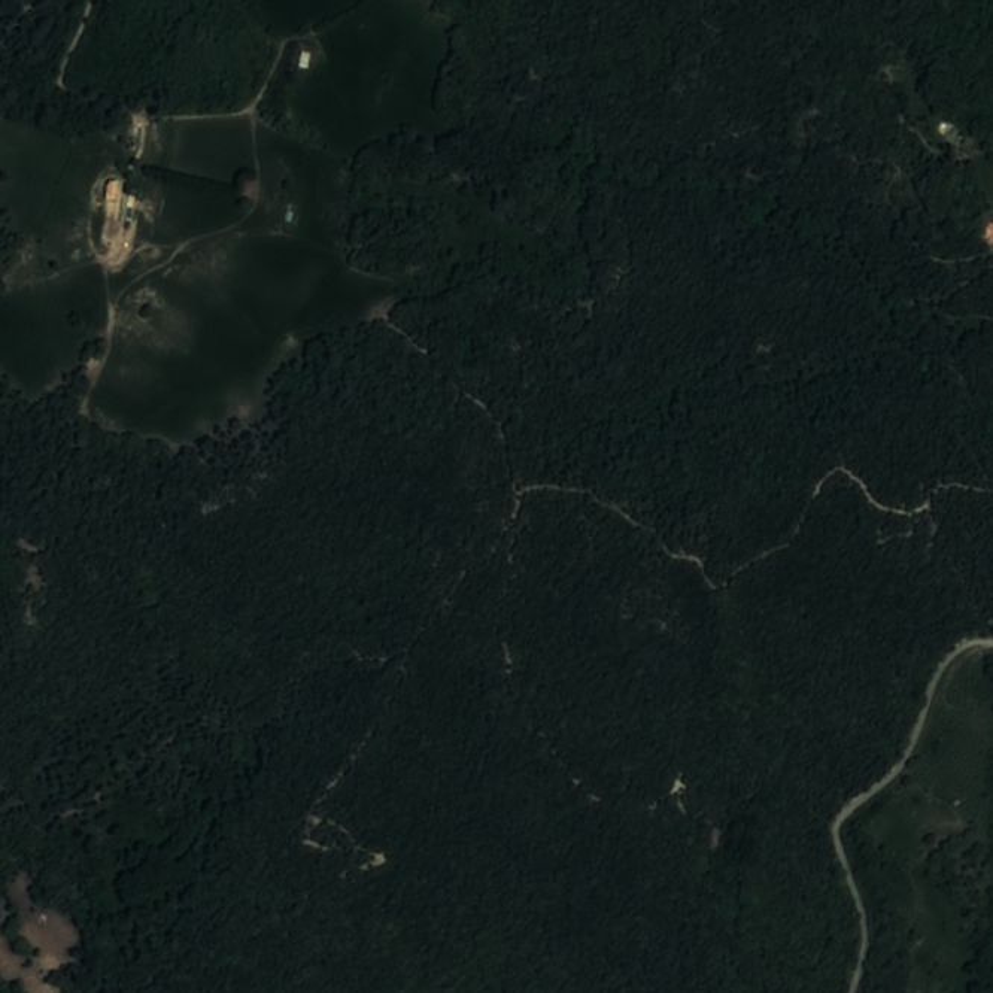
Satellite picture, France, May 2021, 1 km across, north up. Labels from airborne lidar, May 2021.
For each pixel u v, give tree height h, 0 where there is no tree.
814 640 10
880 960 15
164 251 0
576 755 10
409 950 13
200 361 0
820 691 10
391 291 0
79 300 0
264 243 0
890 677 17
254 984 9
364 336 8
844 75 13
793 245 7
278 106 7
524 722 10
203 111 6
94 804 16
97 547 16
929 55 11
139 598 17
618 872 7
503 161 18
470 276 11
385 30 0
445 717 7
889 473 8
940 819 0
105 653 7
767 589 9
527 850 10
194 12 10
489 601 10
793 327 9
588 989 12
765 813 16
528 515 14
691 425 11
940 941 0
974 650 0
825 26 12
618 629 7
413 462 11
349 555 11
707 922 9
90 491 8
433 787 12
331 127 0
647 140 7
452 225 0
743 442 13
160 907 17
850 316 12
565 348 9
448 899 10
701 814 13
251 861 14
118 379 0
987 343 16
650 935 6
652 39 12
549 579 12
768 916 17
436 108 12
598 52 14
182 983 13
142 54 10
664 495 7
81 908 14
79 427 14
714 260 8
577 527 7
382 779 9
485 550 9
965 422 9
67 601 10
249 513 8
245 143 0
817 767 14
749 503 9
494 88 10
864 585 10
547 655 11
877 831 0
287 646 10
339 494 12
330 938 16
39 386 0
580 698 14
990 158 13
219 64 6
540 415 11
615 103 14
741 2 8
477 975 14
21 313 0
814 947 16
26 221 0
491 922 12
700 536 8
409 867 8
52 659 13
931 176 18
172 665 21
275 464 8
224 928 14
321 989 15
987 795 8
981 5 15
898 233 16
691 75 6
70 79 8
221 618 14
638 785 10
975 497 8
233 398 0
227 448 11
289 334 0
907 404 12
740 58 9
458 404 9
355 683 11
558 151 18
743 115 12
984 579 8
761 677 13
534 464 7
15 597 10
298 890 10
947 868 13
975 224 14
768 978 14
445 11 12
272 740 17
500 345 13
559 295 9
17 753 16
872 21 15
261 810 14
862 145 12
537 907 13
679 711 10
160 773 11
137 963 15
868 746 13
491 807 8
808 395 16
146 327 0
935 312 17
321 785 6
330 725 12
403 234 11
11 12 7
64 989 14
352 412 10
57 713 15
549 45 9
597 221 10
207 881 16
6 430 12
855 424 13
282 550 9
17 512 15
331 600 8
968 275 12
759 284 8
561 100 21
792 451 10
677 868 8
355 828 6
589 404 10
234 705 10
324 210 0
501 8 11
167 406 0
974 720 0
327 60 0
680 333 10
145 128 0
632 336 9
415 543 10
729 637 12
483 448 5
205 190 14
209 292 0
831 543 7
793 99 13
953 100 16
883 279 18
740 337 11
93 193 0
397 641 8
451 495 6
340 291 0
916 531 8
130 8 6
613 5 8
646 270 9
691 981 12
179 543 7
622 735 10
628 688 8
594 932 6
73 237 0
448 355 15
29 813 15
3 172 12
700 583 8
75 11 20
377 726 8
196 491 11
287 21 0
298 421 15
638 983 12
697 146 12
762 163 16
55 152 0
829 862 10
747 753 15
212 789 19
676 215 13
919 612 11
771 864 12
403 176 12
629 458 16
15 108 8
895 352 9
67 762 18
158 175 16
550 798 8
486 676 11
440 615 9
